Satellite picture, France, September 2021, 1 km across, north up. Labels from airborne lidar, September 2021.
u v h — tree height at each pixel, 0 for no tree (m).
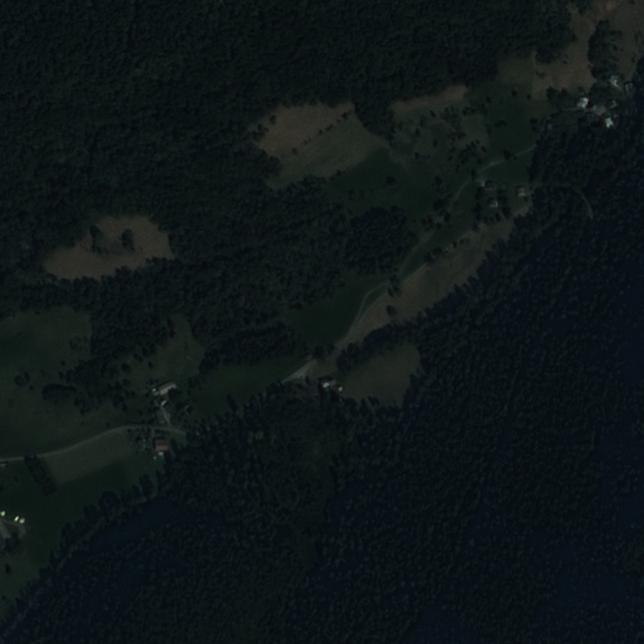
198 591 18
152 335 18
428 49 23
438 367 15
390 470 19
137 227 0
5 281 30
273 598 19
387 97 26
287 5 22
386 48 21
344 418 27
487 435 20
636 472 23
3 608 0
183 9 30
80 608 21
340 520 29
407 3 28
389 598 14
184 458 29
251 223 30
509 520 29
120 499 0
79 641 18
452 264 0
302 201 22
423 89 21
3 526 0
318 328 0
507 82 0
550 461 27
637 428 28
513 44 22
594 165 32
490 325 27
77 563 8
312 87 24
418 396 24
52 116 27
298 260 22
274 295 11
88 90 25
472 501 21
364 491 20
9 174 24
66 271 0
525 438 24
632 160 25
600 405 23
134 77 25
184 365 0
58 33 37
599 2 0
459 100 0
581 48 0
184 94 28
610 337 28
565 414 21
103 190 18
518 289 21
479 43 22
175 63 17
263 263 23
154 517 8
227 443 7
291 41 32
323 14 27
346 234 17
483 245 0
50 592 16
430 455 23
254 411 7
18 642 22
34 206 6
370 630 17
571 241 28
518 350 22
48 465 0
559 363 27
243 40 30
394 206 0
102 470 0
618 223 27
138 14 26
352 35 29
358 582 23
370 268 21
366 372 0
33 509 0
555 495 29
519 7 26
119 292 22
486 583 21
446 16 29
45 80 26
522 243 16
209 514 7
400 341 26
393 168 0
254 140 9
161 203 27
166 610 21
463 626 19
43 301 16
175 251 16
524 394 24
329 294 20
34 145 21
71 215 24
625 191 20
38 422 0
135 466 0
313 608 14
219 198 26
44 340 0
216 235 18
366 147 0
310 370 0
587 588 36
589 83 0
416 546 24
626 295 21
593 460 27
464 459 20
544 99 0
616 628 34
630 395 21
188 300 23
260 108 24
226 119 25
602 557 32
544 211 30
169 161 26
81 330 0
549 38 21
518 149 0
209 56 28
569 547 33
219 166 31
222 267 20
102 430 0
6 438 0
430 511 21
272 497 5
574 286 24
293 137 0
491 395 20
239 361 15
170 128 26
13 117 27
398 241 27
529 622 28
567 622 23
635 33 0
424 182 0
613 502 21
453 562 15
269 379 0
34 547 0
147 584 24
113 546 8
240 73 26
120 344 21
